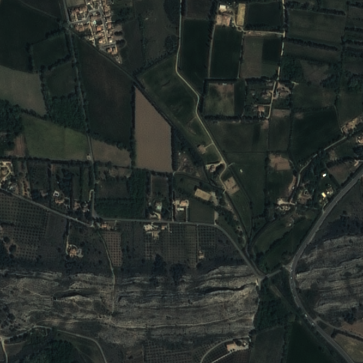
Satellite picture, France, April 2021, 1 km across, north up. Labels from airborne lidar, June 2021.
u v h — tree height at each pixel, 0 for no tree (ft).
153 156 0
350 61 0
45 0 0
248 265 0
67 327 0
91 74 0
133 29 0
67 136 0
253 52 0
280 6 28
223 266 0
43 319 0
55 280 0
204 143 0
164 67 0
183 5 46
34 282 0
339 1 0
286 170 0
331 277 0
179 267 31
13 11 0
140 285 0
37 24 0
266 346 0
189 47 0
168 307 0
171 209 32
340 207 0
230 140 0
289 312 43
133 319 0
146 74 0
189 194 40
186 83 0
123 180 46
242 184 0
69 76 0
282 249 0
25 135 0
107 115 0
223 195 36
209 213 0
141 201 27
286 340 36
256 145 0
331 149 22
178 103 0
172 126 46
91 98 0
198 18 0
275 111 0
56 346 48
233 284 0
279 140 0
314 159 44
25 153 0
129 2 0
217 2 56
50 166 41
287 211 18
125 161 0
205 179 0
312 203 20
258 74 0
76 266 32
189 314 0
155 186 0
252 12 0
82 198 39
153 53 0
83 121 36
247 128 0
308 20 0
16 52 0
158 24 0
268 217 26
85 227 34
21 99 0
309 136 0
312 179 49
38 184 28
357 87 32
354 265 0
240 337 0
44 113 0
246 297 0
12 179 22
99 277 0
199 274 0
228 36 0
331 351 19
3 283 0
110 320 0
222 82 38
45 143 0
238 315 0
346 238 0
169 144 0
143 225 20
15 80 0
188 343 0
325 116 0
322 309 0
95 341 0
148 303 0
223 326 0
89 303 0
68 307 0
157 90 0
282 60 32
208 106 0
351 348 0
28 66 0
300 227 0
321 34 0
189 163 0
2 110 63
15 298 0
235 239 0
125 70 0
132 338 0
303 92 0
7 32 0
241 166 0
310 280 0
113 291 0
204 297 0
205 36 0
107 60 0
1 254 48
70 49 49
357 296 0
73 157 0
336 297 0
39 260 39
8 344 0
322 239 0
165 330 0
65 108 36
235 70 0
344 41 38
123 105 0
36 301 0
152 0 0
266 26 46
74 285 0
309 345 0
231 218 39
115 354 0
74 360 20
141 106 0
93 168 37
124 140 0
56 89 0
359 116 0
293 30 0
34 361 66
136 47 0
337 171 0
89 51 0
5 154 0
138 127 0
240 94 0
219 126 0
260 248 0
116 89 0
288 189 0
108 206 30
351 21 0
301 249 0
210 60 0
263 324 38
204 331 0
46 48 0
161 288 0
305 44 43
